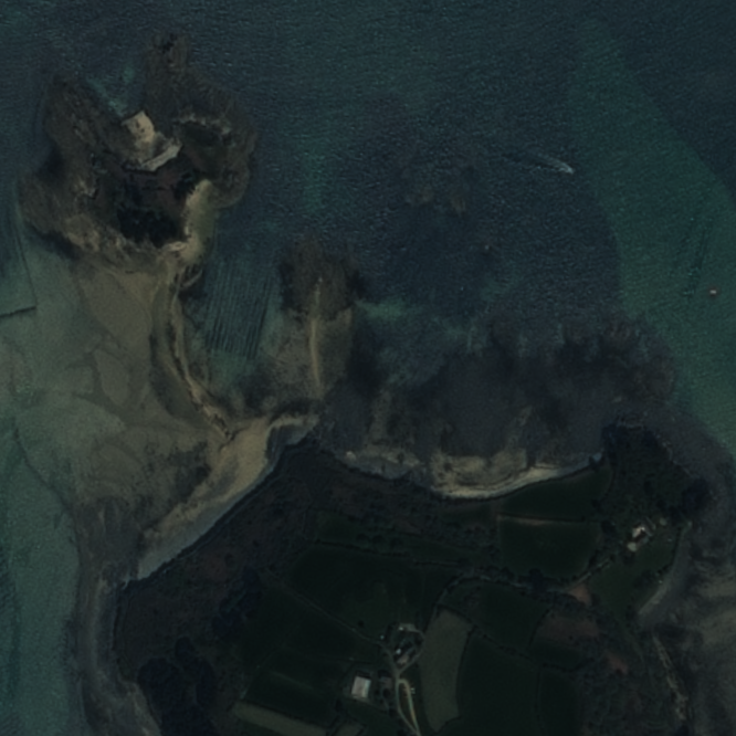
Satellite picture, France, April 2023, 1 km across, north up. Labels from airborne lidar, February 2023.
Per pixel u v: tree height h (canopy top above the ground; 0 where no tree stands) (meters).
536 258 0
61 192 0
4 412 0
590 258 0
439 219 0
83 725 0
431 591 0
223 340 0
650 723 11
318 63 0
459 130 0
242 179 0
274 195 0
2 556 0
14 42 0
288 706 0
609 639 8
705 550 0
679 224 0
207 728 17
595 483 0
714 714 0
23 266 0
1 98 0
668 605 0
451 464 0
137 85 0
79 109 0
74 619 0
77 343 0
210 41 0
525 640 0
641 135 0
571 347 0
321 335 0
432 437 0
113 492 0
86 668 0
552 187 0
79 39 0
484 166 0
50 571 0
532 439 0
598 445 0
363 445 0
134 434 0
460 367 0
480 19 0
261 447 0
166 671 17
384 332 0
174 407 0
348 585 0
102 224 0
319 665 0
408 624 0
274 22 0
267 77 0
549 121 0
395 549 9
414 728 0
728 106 0
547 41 0
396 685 0
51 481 0
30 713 0
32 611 0
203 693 20
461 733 0
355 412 0
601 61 0
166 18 0
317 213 0
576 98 0
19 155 0
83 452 0
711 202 0
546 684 0
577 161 0
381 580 0
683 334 0
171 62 0
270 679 0
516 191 0
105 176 0
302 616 0
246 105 0
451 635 0
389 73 0
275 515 6
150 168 0
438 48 0
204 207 0
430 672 0
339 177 0
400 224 0
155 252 0
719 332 0
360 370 0
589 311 0
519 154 0
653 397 0
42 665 0
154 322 0
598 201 0
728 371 0
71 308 0
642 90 0
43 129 0
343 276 0
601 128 0
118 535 0
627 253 0
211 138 0
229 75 0
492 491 0
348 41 0
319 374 0
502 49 0
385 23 0
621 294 0
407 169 0
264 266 0
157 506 0
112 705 0
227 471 0
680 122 0
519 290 0
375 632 0
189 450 0
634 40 0
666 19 0
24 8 0
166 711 12
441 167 0
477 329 0
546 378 0
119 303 0
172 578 7
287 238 0
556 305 0
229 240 0
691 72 0
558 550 0
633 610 6
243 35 0
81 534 0
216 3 0
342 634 0
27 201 0
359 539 7
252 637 0
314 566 0
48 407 0
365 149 0
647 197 0
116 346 0
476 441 0
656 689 8
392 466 0
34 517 0
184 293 0
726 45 0
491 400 0
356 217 0
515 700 0
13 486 0
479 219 0
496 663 0
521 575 0
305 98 0
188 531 0
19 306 0
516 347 0
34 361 0
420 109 0
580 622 10
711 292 0
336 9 0
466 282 0
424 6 0
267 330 0
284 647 0
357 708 0
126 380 0
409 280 0
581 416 0
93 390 0
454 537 7
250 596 16
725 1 0
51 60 0
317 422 0
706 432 0
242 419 0
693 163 0
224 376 0
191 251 0
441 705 0
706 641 0
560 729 0
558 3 0
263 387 0
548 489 0
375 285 0
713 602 0
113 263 0
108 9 0
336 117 0
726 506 0
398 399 0
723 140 0
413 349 0
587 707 8
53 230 0
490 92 0
